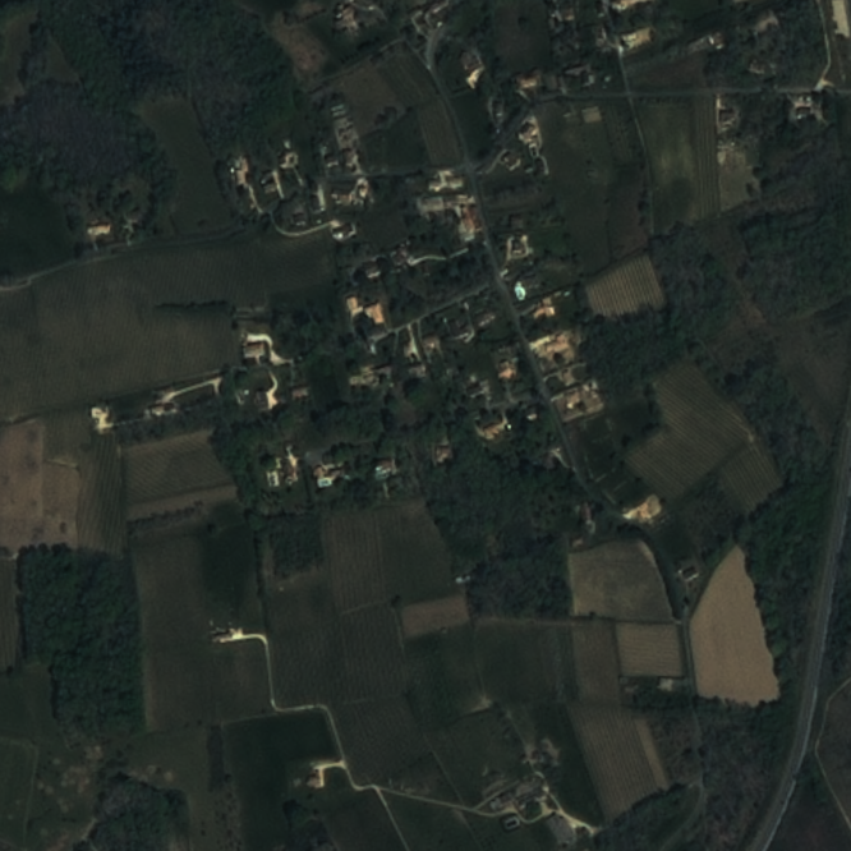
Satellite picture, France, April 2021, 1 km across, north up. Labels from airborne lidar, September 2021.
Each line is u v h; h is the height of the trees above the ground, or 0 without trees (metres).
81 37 16
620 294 0
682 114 0
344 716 0
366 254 16
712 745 9
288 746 0
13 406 0
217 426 16
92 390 0
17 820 0
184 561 0
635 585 0
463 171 0
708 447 0
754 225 10
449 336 7
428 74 0
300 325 0
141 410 0
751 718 11
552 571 21
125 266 0
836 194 17
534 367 0
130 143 17
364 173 0
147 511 0
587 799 0
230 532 0
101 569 21
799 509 24
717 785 13
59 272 0
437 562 0
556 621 21
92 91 17
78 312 0
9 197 0
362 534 0
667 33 13
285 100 20
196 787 0
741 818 14
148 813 22
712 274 25
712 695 0
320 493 9
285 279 0
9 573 0
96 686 26
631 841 15
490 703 0
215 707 0
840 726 0
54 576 23
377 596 0
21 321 0
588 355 17
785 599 10
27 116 17
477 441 22
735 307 16
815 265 17
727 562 0
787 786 0
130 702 24
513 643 0
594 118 0
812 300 24
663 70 0
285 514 10
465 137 0
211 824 0
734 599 0
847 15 0
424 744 0
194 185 0
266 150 21
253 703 0
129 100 14
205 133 17
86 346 0
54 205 9
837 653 13
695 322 24
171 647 0
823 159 15
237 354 0
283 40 0
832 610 11
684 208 0
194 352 0
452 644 0
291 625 0
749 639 0
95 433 0
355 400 6
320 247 0
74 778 0
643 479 0
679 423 0
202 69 20
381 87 0
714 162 0
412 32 8
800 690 9
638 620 0
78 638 17
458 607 0
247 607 0
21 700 0
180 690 0
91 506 0
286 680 0
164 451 0
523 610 16
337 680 0
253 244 0
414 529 0
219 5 14
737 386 19
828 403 0
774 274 26
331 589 0
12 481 0
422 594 0
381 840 0
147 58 16
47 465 0
